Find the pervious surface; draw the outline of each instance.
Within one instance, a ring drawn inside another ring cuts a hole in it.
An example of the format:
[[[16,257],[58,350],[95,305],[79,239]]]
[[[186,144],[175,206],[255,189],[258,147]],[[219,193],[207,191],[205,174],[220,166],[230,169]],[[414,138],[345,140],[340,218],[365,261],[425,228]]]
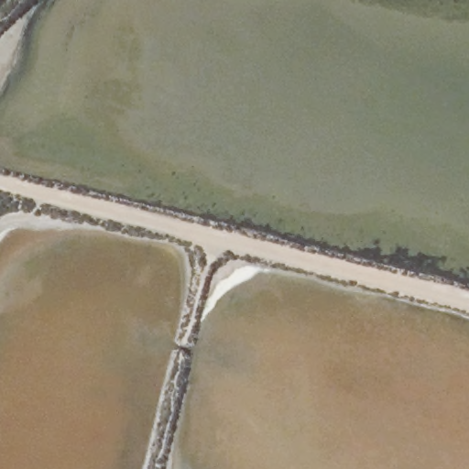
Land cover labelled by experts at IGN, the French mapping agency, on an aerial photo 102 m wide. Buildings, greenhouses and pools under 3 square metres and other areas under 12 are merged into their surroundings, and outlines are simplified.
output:
[[[399,295],[449,304],[462,310],[469,306],[469,291],[456,284],[410,277],[398,269],[396,273],[392,273],[377,267],[359,266],[346,262],[343,258],[310,253],[291,245],[273,244],[260,238],[244,236],[238,231],[220,231],[207,225],[189,224],[178,218],[141,211],[137,207],[97,200],[90,196],[60,191],[55,187],[44,187],[24,180],[0,174],[0,191],[20,194],[42,205],[49,203],[60,209],[90,214],[93,218],[115,220],[121,224],[145,227],[156,233],[178,236],[192,244],[202,245],[207,262],[211,264],[216,258],[224,255],[225,251],[233,251],[236,255],[260,256],[266,260],[302,267],[321,275],[357,280],[370,288],[398,291]]]
[[[27,20],[35,15],[37,5],[33,5],[26,15],[18,18],[0,37],[0,90],[11,71],[11,66],[18,62],[20,38]]]
[[[191,266],[189,255],[185,253],[183,245],[170,244],[167,240],[156,240],[147,236],[110,231],[86,222],[64,222],[60,218],[51,218],[46,214],[37,216],[16,211],[0,216],[0,295],[4,295],[7,286],[11,286],[11,278],[24,269],[27,258],[49,247],[60,253],[62,247],[77,231],[90,231],[126,242],[163,247],[183,262],[185,284],[187,288],[192,288],[192,284],[200,284],[196,266],[200,266],[200,256],[194,256],[194,266]]]
[[[211,295],[203,308],[202,321],[207,321],[216,302],[220,297],[224,297],[229,289],[249,280],[256,273],[269,273],[300,280],[302,273],[289,273],[282,269],[253,266],[247,262],[231,260],[220,267],[214,275]]]

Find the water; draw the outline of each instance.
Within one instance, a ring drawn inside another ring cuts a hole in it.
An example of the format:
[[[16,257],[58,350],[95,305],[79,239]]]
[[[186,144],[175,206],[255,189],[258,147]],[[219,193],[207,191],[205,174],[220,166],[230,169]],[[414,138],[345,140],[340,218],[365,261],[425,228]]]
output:
[[[90,231],[77,231],[62,247],[60,253],[49,247],[27,258],[24,269],[11,278],[11,286],[7,286],[4,295],[0,295],[0,469],[141,469],[145,462],[152,421],[156,414],[159,390],[174,344],[176,324],[181,310],[181,291],[185,284],[183,262],[163,247],[126,242]]]
[[[192,205],[205,205],[209,213],[229,213],[236,220],[251,220],[255,224],[271,225],[284,233],[300,234],[306,238],[324,240],[328,244],[343,245],[350,249],[370,249],[372,242],[379,240],[381,253],[390,255],[388,264],[398,269],[410,277],[456,284],[469,291],[469,0],[42,0],[37,5],[35,15],[27,20],[20,38],[18,62],[11,66],[11,71],[0,90],[0,174],[24,180],[27,174],[40,174],[106,191],[123,192],[128,187],[134,187],[139,189],[139,196],[143,200],[148,194],[156,194],[156,198],[161,200],[163,205],[180,205],[189,209]]]
[[[207,321],[202,321],[198,350],[192,354],[194,357],[189,387],[181,405],[180,420],[178,429],[174,432],[167,469],[469,469],[469,317],[464,319],[453,313],[427,310],[407,302],[392,300],[390,297],[343,293],[335,289],[321,288],[310,280],[300,280],[269,273],[256,273],[249,280],[229,289],[224,297],[220,297],[216,302]]]

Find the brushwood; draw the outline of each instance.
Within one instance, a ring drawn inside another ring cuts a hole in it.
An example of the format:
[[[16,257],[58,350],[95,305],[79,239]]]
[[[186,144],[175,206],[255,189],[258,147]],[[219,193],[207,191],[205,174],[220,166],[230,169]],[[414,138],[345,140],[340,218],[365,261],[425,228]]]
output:
[[[209,213],[205,205],[192,205],[189,209],[180,205],[163,205],[161,200],[156,198],[156,194],[148,194],[143,200],[139,196],[139,189],[134,187],[128,187],[123,192],[106,191],[40,174],[27,174],[24,180],[44,187],[55,187],[60,191],[90,196],[97,200],[137,207],[141,211],[178,218],[189,224],[207,225],[220,231],[238,231],[244,236],[260,238],[273,244],[291,245],[310,253],[343,258],[346,262],[359,266],[377,267],[392,273],[396,273],[398,269],[388,264],[390,255],[381,253],[379,240],[372,242],[370,249],[350,249],[343,245],[328,244],[324,240],[306,238],[300,234],[284,233],[271,225],[255,224],[251,220],[236,220],[229,213]]]
[[[42,0],[0,0],[0,37],[18,18],[26,15],[33,5],[37,5]]]
[[[181,310],[176,324],[174,344],[159,390],[156,414],[152,421],[145,462],[141,469],[167,469],[174,432],[178,429],[180,420],[181,405],[189,387],[194,357],[192,354],[198,350],[202,321],[203,308],[211,295],[214,275],[220,267],[231,260],[247,262],[253,266],[282,269],[289,273],[302,273],[300,280],[310,280],[321,288],[335,289],[343,293],[390,297],[392,300],[407,302],[427,310],[453,313],[464,319],[469,317],[469,306],[462,310],[449,304],[399,295],[398,291],[370,288],[357,280],[321,275],[302,267],[266,260],[260,256],[236,255],[233,251],[225,251],[224,255],[216,258],[211,264],[207,262],[202,245],[192,244],[178,236],[156,233],[145,227],[121,224],[115,220],[93,218],[90,214],[60,209],[49,203],[42,205],[20,194],[0,191],[0,216],[16,211],[37,216],[46,214],[51,218],[60,218],[64,222],[86,222],[110,231],[147,236],[156,240],[167,240],[170,244],[183,245],[185,253],[189,255],[191,266],[194,266],[194,256],[200,256],[200,266],[196,266],[200,284],[192,284],[192,288],[187,288],[185,284],[181,291]]]

